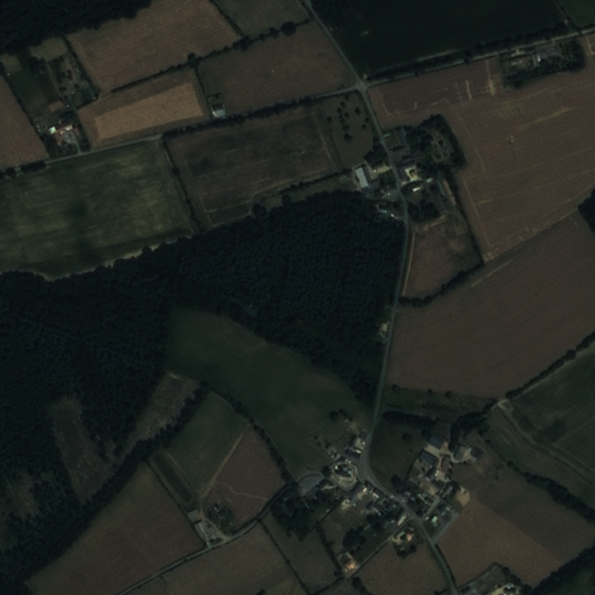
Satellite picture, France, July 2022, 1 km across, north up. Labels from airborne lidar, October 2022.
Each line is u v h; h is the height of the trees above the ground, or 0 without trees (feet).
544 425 0
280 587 0
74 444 0
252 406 0
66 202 0
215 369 0
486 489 0
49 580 0
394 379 0
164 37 0
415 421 61
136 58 0
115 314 63
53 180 0
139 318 64
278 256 98
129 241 0
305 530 23
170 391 0
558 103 0
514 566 0
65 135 0
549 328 0
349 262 99
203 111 0
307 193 0
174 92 0
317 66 0
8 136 0
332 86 0
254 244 94
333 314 59
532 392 0
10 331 52
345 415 27
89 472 0
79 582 0
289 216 65
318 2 57
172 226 0
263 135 0
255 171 0
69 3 65
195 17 0
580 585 0
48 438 53
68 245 0
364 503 0
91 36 0
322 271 97
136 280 39
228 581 0
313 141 0
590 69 0
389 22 0
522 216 0
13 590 54
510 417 0
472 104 0
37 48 0
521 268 0
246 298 53
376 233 90
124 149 0
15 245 0
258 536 0
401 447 0
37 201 0
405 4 0
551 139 0
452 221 0
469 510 0
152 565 0
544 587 56
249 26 0
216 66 0
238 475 0
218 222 0
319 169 0
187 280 88
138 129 0
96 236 0
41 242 0
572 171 0
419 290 0
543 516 0
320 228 84
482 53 44
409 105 0
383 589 0
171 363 0
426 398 0
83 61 0
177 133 42
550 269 0
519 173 0
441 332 0
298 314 61
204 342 0
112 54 0
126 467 53
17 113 0
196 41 0
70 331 73
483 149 0
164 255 58
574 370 0
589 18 0
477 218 0
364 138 0
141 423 0
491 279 0
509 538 0
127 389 81
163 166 0
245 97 0
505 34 0
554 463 0
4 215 0
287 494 19
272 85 0
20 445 69
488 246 0
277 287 72
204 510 0
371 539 0
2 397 50
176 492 0
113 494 55
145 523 0
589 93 0
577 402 0
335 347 0
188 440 0
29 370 50
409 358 0
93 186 0
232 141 0
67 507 80
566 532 0
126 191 0
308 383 0
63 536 55
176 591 0
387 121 0
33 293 74
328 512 0
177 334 0
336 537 0
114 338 64
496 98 0
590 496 0
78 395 87
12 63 0
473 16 0
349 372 39
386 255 88
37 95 0
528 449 0
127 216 0
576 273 0
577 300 0
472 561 0
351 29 0
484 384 0
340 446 0
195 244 65
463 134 0
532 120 0
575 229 0
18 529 79
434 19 0
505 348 0
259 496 0
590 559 81
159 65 0
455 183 35
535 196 0
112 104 0
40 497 82
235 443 0
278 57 0
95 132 0
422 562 0
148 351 37
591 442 0
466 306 0
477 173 0
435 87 0
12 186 0
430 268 0
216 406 0
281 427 0
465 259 0
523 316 0
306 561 0
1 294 86
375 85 0
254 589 0
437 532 0
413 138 50
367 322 72
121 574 0
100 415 56
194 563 0
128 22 0
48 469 55
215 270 92
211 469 0
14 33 73
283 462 50
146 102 0
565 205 0
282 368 0
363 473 0
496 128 0
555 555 0
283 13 0
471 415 48
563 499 62
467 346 0
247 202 0
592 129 0
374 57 0
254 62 0
